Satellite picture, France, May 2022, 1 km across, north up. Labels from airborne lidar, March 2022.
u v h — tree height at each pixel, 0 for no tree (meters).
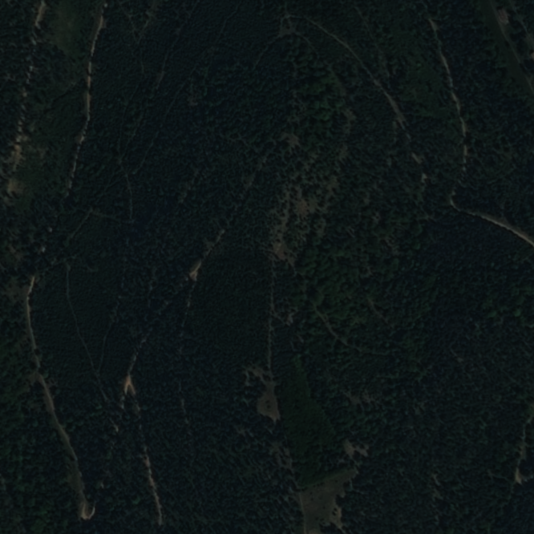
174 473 31
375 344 6
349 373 7
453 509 29
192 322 10
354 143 33
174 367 31
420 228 18
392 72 35
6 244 18
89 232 6
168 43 10
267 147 27
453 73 23
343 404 24
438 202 33
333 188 0
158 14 6
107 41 10
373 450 16
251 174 15
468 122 7
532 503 17
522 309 31
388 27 7
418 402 6
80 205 10
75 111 6
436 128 36
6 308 33
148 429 32
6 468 30
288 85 10
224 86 23
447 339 35
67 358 11
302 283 19
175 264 8
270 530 29
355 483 18
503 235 20
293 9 8
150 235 32
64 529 30
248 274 7
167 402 31
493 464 20
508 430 19
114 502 26
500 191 8
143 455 32
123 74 9
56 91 7
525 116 12
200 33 10
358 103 12
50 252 36
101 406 32
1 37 7
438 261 25
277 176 8
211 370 30
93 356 6
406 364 29
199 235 9
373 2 8
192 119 9
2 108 10
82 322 6
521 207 8
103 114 9
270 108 18
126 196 9
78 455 24
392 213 29
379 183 34
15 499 29
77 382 8
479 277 17
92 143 7
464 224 20
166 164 10
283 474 8
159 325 25
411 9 7
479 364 32
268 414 0
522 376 38
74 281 6
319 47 11
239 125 19
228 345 7
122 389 7
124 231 7
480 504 33
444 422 33
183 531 34
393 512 33
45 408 10
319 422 16
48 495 32
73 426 12
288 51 16
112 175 9
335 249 26
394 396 9
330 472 13
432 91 36
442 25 36
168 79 8
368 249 25
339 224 30
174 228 29
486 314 19
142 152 12
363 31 9
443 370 32
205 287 7
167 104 10
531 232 9
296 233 9
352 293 28
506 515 19
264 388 17
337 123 34
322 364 7
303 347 16
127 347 9
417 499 31
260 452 11
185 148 31
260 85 20
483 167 6
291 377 18
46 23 6
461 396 30
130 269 6
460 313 33
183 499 26
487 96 9
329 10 13
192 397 26
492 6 0
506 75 22
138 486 32
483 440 28
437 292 31
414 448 31
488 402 35
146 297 9
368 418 21
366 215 15
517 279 25
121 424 7
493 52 22
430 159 35
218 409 11
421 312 27
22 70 9
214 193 10
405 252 30
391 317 28
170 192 29
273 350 13
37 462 21
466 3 37
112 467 30
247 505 28
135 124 6
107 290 10
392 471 29
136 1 6
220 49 10
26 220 7
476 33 35
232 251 7
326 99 38
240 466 29
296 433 16
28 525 32
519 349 33
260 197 8
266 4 10
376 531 33
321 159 6
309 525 0
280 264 8
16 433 26
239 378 12
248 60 7
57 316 8
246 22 10
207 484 25
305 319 8
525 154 35
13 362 21
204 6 10
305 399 18
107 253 29
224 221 7
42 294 6
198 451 27
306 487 10
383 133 9
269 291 8
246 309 8
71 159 16
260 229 10
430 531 31
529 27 13
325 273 26
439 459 31
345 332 11
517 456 27
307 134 30
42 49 35
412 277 15
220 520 27
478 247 27
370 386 7
